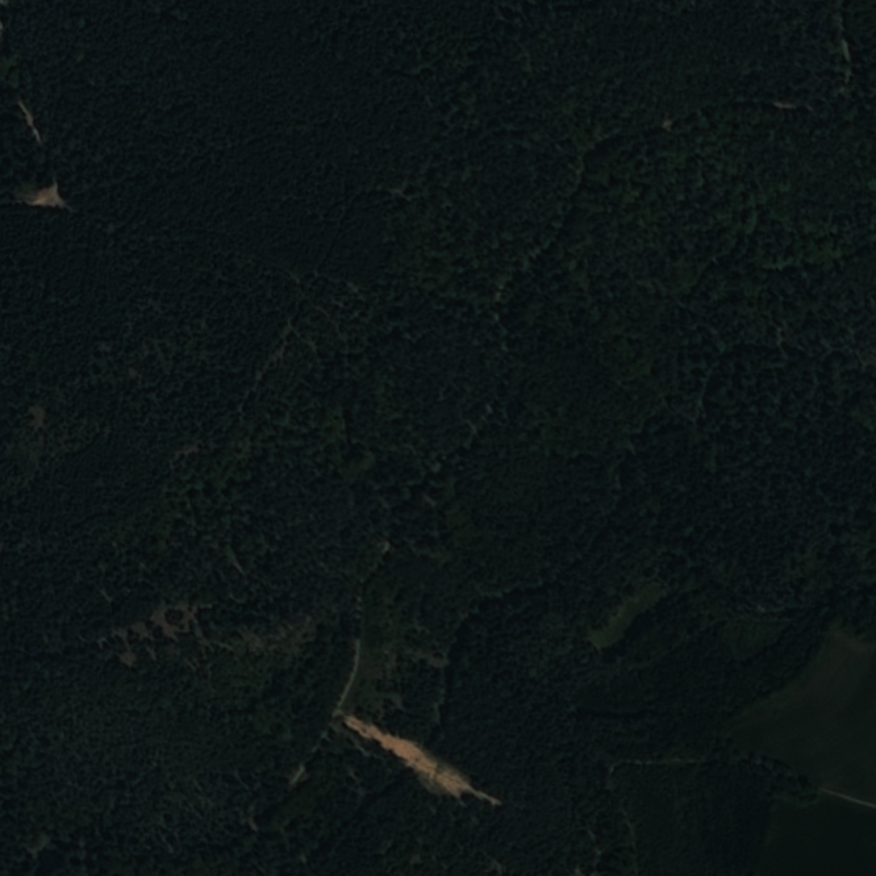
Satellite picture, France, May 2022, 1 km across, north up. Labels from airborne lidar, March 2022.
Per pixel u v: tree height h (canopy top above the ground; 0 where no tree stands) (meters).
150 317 7
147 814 10
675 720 11
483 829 10
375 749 15
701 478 23
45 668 22
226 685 10
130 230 16
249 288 13
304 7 14
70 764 15
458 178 23
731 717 7
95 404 10
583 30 20
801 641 9
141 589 25
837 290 10
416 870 9
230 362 6
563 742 26
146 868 33
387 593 11
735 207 24
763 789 16
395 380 27
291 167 9
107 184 8
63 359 9
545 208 19
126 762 12
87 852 12
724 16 23
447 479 26
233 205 11
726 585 16
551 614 21
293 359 6
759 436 30
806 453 28
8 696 29
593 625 19
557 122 23
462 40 7
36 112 21
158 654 9
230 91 20
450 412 27
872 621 23
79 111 21
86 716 13
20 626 20
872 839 0
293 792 12
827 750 0
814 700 0
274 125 16
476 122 26
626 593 12
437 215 31
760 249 9
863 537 25
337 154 12
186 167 13
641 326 28
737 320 13
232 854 31
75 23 21
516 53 26
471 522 12
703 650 14
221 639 7
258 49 19
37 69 23
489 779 16
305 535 35
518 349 30
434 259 33
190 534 28
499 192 26
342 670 19
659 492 32
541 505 22
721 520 33
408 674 10
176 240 8
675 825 7
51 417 8
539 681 22
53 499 8
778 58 23
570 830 10
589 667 26
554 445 15
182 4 16
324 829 12
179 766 9
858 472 27
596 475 24
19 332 8
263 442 18
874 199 17
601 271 28
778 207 13
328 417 24
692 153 11
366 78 18
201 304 6
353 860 25
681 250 38
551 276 9
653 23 20
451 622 13
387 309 11
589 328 17
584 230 24
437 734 19
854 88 7
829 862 0
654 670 8
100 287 7
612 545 34
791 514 26
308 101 16
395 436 21
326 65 17
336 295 7
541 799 15
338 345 8
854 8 14
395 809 27
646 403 11
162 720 10
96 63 24
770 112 22
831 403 20
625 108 19
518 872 8
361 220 10
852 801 0
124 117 20
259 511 35
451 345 26
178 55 22
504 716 17
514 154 32
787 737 0
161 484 11
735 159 17
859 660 0
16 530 7
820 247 25
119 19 20
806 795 19
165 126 21
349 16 11
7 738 21
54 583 22
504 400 24
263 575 26
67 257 14
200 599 11
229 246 15
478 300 25
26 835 24
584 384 23
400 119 12
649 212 27
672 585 13
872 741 0
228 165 14
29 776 26
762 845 15
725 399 29
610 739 10
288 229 13
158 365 8
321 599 32
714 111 22
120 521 5
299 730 21
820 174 11
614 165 19
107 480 15
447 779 0
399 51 20
